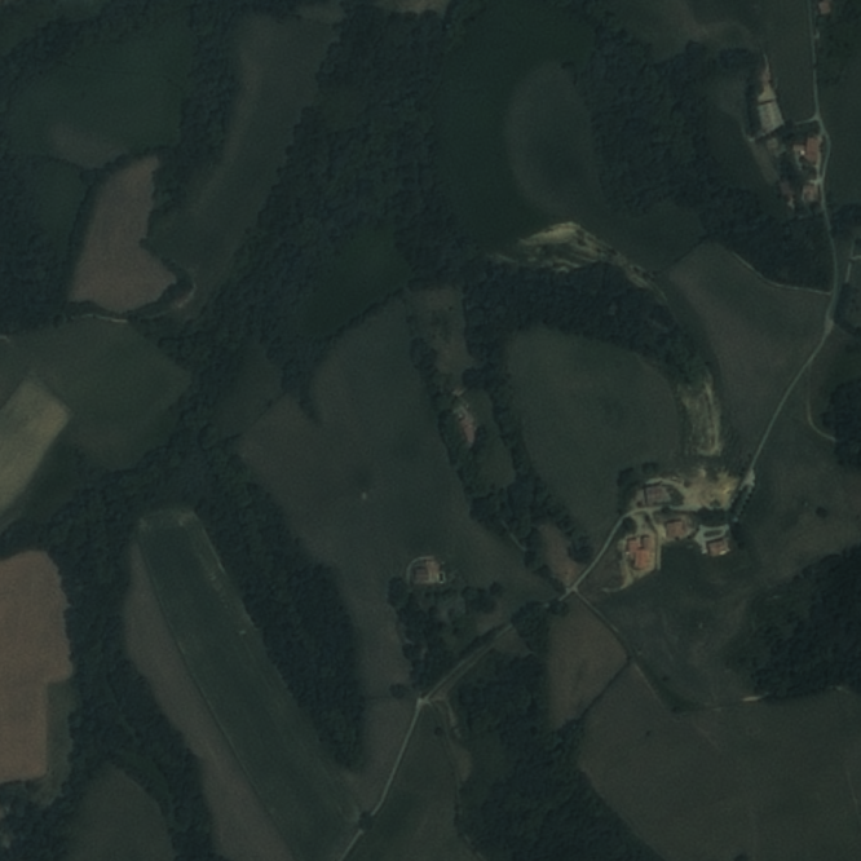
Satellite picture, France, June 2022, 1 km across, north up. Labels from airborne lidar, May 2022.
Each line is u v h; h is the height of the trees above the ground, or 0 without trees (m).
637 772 0
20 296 25
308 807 0
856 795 0
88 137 0
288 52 0
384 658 0
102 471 6
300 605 25
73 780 8
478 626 0
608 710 0
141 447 0
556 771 26
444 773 0
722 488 0
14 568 0
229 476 25
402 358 0
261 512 19
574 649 0
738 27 0
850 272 0
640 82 31
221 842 0
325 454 0
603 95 8
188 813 20
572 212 0
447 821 0
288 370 14
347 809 0
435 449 0
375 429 0
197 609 0
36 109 0
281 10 10
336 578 0
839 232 14
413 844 0
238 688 0
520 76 0
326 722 18
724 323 0
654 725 0
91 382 0
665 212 0
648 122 27
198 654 0
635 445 0
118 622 9
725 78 0
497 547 0
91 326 0
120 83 0
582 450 0
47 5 0
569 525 23
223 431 0
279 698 0
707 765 0
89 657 27
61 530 32
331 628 20
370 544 0
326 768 0
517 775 9
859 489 0
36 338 0
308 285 11
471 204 0
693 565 0
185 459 9
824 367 0
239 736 0
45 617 0
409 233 13
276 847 0
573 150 0
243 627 0
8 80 26
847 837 0
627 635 0
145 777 6
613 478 0
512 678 14
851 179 0
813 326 0
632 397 0
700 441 0
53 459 0
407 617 16
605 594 0
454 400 12
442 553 0
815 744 0
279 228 9
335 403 0
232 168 0
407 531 0
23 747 0
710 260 0
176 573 0
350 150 19
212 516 9
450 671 10
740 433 0
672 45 0
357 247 0
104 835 0
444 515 0
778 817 0
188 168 19
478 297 24
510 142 0
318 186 19
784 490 0
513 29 0
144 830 0
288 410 0
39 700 0
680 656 0
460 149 0
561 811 6
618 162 18
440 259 21
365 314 6
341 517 0
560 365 0
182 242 0
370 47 12
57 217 0
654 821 0
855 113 0
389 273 0
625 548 0
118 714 17
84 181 13
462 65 0
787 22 0
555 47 0
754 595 0
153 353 0
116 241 0
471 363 0
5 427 0
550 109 0
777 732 0
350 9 10
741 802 0
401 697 13
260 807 0
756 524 0
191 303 0
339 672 19
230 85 9
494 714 24
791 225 14
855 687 10
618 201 9
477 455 16
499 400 19
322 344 7
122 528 11
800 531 0
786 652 20
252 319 16
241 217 0
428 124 20
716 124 0
